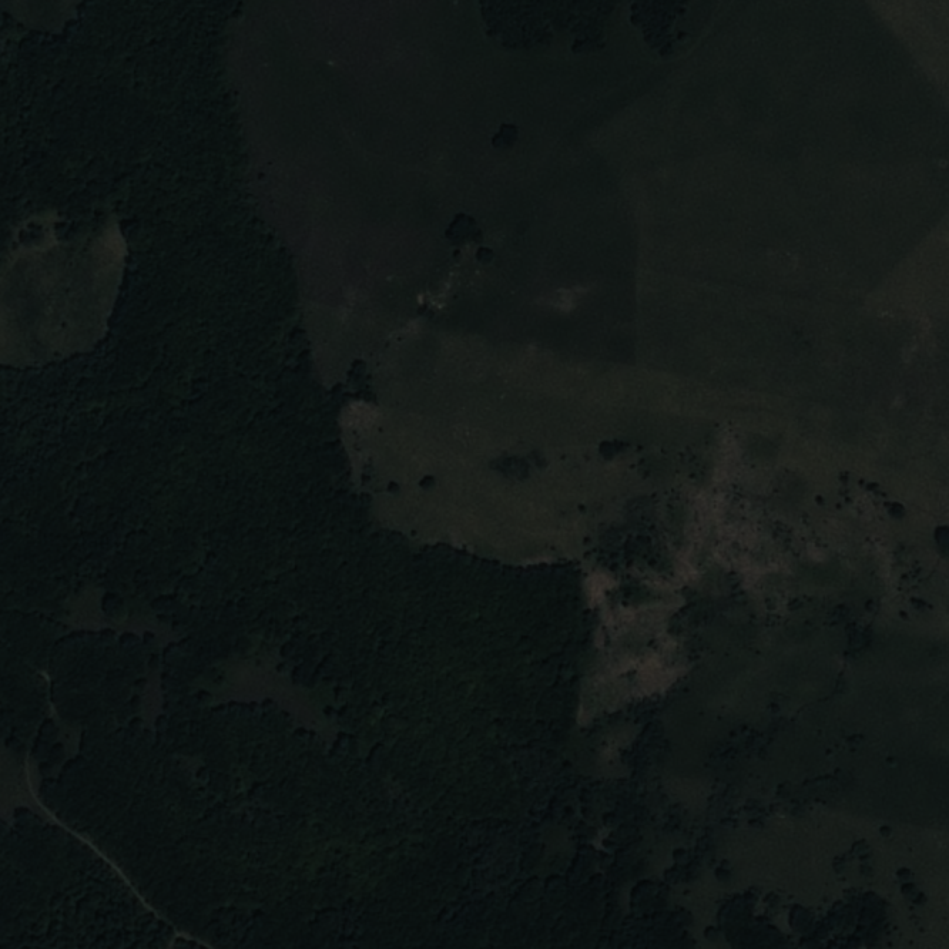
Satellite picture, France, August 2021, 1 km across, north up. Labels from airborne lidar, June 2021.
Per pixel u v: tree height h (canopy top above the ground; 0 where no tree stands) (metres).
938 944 0
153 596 9
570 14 10
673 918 11
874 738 0
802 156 0
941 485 0
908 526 0
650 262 0
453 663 18
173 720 11
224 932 13
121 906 16
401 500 0
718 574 0
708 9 0
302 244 0
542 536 0
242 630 12
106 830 10
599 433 0
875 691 0
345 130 0
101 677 12
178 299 13
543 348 0
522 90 0
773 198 0
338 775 10
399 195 0
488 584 13
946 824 0
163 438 11
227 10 9
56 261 0
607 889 14
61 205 13
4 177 12
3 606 10
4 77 8
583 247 0
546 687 10
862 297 0
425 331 0
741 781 0
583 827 10
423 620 10
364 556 11
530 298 0
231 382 13
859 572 0
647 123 0
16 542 12
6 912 11
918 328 0
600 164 0
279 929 13
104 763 12
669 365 0
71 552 10
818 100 0
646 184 0
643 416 0
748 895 9
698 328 0
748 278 0
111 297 0
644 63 0
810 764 0
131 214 11
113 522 12
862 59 0
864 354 0
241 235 12
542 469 0
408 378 0
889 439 0
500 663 13
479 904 12
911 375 0
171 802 10
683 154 0
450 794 16
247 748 12
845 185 0
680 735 0
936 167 0
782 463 0
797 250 0
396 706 10
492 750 13
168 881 10
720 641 0
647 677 0
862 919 9
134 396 11
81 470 11
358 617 11
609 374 0
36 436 9
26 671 9
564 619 12
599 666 0
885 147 0
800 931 10
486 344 0
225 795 9
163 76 11
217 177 9
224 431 13
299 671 11
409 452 0
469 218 7
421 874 14
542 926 11
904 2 0
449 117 0
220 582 10
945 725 0
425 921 11
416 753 12
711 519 0
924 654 0
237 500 10
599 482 0
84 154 11
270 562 10
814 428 0
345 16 0
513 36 10
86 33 13
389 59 0
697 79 0
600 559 6
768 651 0
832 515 0
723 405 0
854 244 0
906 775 0
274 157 0
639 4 10
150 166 11
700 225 0
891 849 0
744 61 0
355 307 0
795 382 0
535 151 0
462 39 0
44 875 10
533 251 0
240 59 0
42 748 12
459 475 0
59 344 0
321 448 9
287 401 9
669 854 0
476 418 0
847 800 0
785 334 0
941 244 0
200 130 13
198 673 12
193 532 12
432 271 0
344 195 0
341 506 11
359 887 11
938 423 0
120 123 10
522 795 12
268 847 12
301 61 0
